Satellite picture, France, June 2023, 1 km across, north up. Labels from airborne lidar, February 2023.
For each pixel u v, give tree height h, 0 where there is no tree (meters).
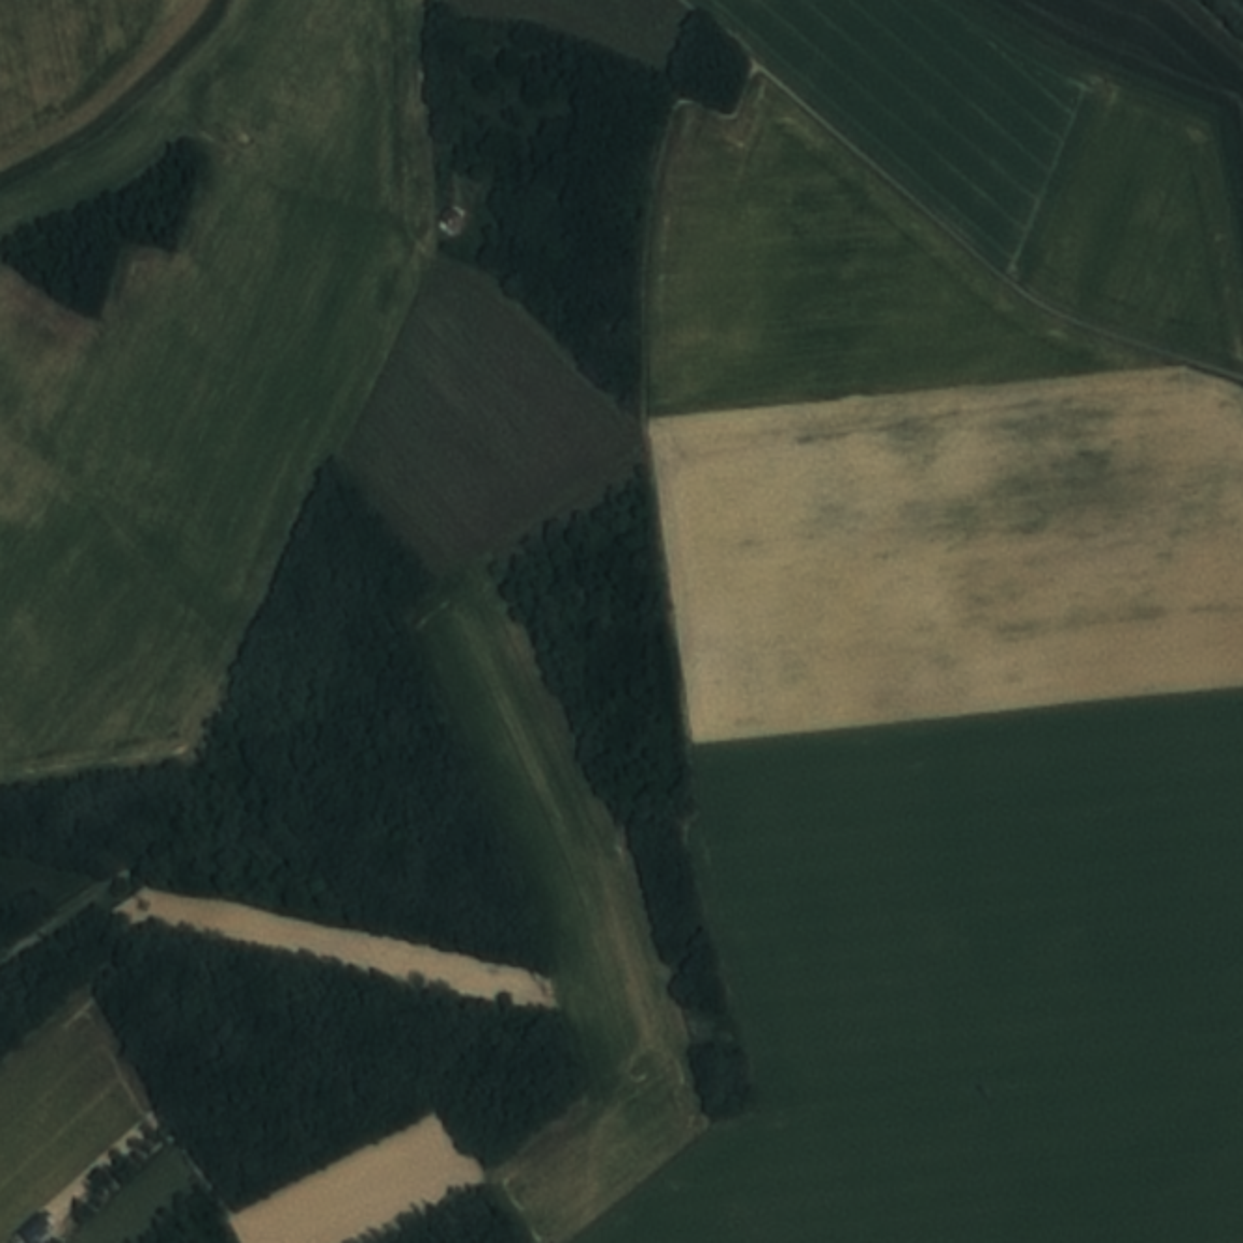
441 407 0
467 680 0
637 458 0
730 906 0
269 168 0
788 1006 0
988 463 0
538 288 18
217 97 0
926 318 0
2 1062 18
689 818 16
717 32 20
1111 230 0
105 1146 0
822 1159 0
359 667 23
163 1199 0
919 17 0
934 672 0
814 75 0
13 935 20
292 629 21
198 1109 25
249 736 23
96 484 0
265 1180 19
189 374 0
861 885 0
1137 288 0
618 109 21
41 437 0
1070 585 0
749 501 0
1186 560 0
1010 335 0
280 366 0
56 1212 0
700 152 0
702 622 0
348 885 25
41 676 0
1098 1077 0
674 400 0
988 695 0
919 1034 0
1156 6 0
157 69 0
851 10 0
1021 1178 0
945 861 0
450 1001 20
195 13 0
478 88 12
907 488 0
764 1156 0
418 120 0
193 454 0
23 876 0
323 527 21
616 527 19
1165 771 0
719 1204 0
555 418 0
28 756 0
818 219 0
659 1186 0
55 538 0
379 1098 21
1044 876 0
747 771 0
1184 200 0
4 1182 0
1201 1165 0
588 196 23
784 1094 0
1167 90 0
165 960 25
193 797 23
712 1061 20
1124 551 0
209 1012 21
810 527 0
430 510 0
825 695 0
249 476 0
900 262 0
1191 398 0
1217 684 0
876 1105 0
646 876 18
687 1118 0
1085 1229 0
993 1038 0
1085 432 0
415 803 20
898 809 0
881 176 0
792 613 0
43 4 0
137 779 17
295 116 0
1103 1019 0
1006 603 0
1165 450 0
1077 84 0
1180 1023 0
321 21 0
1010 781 0
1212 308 0
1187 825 0
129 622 0
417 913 23
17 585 0
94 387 0
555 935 0
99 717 0
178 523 0
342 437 0
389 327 0
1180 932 0
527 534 0
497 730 0
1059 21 0
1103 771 0
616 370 10
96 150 0
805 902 0
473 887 24
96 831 25
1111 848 0
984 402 0
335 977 18
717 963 17
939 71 0
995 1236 0
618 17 0
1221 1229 0
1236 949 0
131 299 0
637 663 7
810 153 0
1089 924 0
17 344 0
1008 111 0
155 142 0
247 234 0
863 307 0
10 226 0
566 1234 0
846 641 0
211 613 0
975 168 0
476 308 0
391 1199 0
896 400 0
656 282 0
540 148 16
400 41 0
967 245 0
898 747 0
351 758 20
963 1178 0
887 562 0
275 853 20
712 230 0
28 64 0
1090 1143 0
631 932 0
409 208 0
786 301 0
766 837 0
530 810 0
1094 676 0
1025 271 0
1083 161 0
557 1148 0
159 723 0
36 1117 0
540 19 0
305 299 0
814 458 0
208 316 0
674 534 0
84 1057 0
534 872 0
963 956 0
